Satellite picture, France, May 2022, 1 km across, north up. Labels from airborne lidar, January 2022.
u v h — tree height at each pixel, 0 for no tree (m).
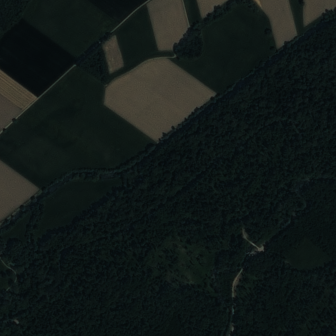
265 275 24
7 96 0
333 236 19
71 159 0
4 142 0
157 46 0
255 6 11
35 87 0
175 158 26
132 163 14
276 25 0
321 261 0
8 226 12
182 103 0
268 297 24
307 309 23
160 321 25
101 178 9
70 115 0
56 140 0
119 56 0
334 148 31
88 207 0
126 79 0
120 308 17
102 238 13
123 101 0
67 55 0
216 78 0
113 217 34
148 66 0
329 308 0
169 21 0
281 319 23
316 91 33
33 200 13
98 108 0
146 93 0
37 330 12
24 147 0
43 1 0
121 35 0
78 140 0
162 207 22
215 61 0
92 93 0
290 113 23
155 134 0
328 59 31
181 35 0
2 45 0
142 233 17
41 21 0
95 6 0
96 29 0
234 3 16
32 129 0
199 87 0
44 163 0
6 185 0
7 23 18
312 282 20
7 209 0
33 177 0
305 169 23
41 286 28
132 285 23
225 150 31
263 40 0
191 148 34
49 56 0
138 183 33
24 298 34
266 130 30
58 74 0
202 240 30
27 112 0
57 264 15
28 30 0
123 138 0
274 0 0
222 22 0
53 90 0
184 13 0
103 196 0
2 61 0
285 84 30
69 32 0
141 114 0
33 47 0
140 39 0
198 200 32
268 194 26
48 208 0
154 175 25
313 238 20
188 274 0
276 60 22
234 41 0
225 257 28
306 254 0
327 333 31
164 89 0
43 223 0
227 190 30
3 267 0
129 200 35
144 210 22
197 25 7
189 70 0
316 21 0
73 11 0
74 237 33
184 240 0
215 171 33
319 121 34
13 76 0
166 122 0
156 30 0
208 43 0
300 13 0
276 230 0
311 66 33
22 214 12
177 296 24
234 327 0
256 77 25
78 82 0
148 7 0
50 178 0
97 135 0
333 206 22
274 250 18
